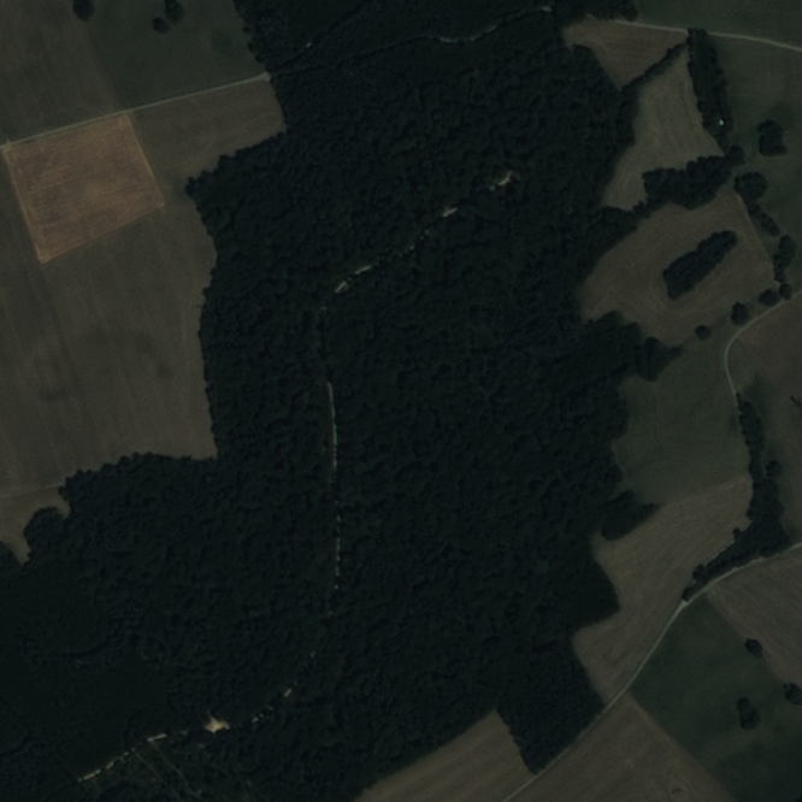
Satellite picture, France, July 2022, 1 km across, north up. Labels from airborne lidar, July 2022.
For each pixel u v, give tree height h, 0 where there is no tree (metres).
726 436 0
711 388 0
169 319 0
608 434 16
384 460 27
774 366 0
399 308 20
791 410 0
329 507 20
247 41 0
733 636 0
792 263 10
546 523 23
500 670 26
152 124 0
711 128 18
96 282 0
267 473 22
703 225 0
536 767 13
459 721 19
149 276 0
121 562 27
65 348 0
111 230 0
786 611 0
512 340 20
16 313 0
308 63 15
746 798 0
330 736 22
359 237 27
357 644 23
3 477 0
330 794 23
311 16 7
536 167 23
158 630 26
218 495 25
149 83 0
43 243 0
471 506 20
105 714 8
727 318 0
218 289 15
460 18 18
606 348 11
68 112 0
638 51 0
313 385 30
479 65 10
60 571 13
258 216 21
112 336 0
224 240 16
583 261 12
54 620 11
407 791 0
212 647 19
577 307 17
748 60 0
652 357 22
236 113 0
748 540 15
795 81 0
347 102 18
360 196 20
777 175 0
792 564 0
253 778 28
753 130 0
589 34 0
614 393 16
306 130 18
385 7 23
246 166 25
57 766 11
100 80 0
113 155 0
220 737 19
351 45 19
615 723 0
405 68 14
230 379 20
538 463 22
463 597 20
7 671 12
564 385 14
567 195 22
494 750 0
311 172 21
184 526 20
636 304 0
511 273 24
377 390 29
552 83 18
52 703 11
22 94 0
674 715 0
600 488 20
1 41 0
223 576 16
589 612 14
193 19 0
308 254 25
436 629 23
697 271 15
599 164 21
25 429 0
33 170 0
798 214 0
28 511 0
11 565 20
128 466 21
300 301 24
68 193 0
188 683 21
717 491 0
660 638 0
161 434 0
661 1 0
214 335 19
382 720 24
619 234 14
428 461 25
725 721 0
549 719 15
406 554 25
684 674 0
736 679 0
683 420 0
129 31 0
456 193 29
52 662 9
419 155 13
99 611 10
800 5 0
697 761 0
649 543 0
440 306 22
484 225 27
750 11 0
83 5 18
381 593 21
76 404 0
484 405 22
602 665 0
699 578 15
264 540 24
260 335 20
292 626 19
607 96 21
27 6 0
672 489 0
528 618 30
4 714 11
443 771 0
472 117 24
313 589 26
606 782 0
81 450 0
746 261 0
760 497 16
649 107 0
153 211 0
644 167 0
